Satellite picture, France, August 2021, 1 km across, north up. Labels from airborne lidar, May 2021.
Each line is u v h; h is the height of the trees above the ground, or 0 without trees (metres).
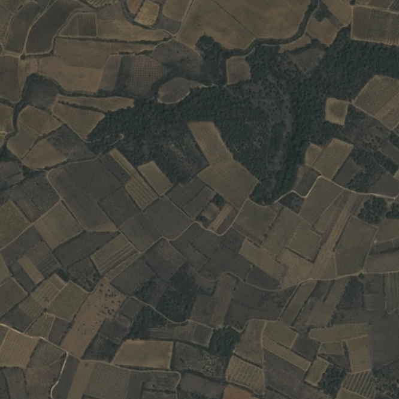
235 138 7
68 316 0
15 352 0
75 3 0
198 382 0
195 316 0
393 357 0
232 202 0
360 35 0
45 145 0
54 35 0
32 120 0
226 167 0
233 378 0
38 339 0
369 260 0
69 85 0
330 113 0
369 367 0
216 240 0
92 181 0
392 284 0
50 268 0
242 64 0
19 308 0
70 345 0
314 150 0
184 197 0
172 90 0
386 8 0
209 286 0
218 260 0
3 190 0
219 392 0
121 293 0
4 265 0
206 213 0
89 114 0
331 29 0
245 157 7
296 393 0
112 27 0
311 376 0
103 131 6
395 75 10
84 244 0
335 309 0
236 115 7
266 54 6
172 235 0
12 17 0
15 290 0
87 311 0
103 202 0
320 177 0
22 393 0
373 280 0
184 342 0
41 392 0
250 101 7
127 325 0
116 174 0
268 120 0
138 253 0
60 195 0
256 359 0
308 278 0
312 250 0
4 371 0
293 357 0
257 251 0
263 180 8
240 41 0
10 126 0
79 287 0
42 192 0
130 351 0
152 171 0
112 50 0
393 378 0
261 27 0
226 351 8
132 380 0
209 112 7
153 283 7
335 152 0
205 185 0
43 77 10
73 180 0
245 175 0
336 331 0
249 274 0
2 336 0
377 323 0
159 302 0
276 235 0
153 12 0
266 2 0
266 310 0
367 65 8
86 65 0
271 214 0
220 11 0
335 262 0
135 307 0
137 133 7
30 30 0
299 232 0
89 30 0
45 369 0
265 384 0
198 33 0
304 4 0
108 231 0
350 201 0
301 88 12
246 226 0
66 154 0
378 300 0
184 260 0
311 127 6
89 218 0
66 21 0
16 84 0
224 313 0
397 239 0
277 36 0
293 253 0
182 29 0
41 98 0
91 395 0
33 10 0
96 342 0
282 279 0
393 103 0
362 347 0
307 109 6
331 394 7
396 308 0
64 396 0
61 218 0
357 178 7
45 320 0
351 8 0
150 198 0
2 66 0
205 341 0
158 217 0
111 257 0
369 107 0
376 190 0
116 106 0
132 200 0
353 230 0
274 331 0
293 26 0
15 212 0
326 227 0
